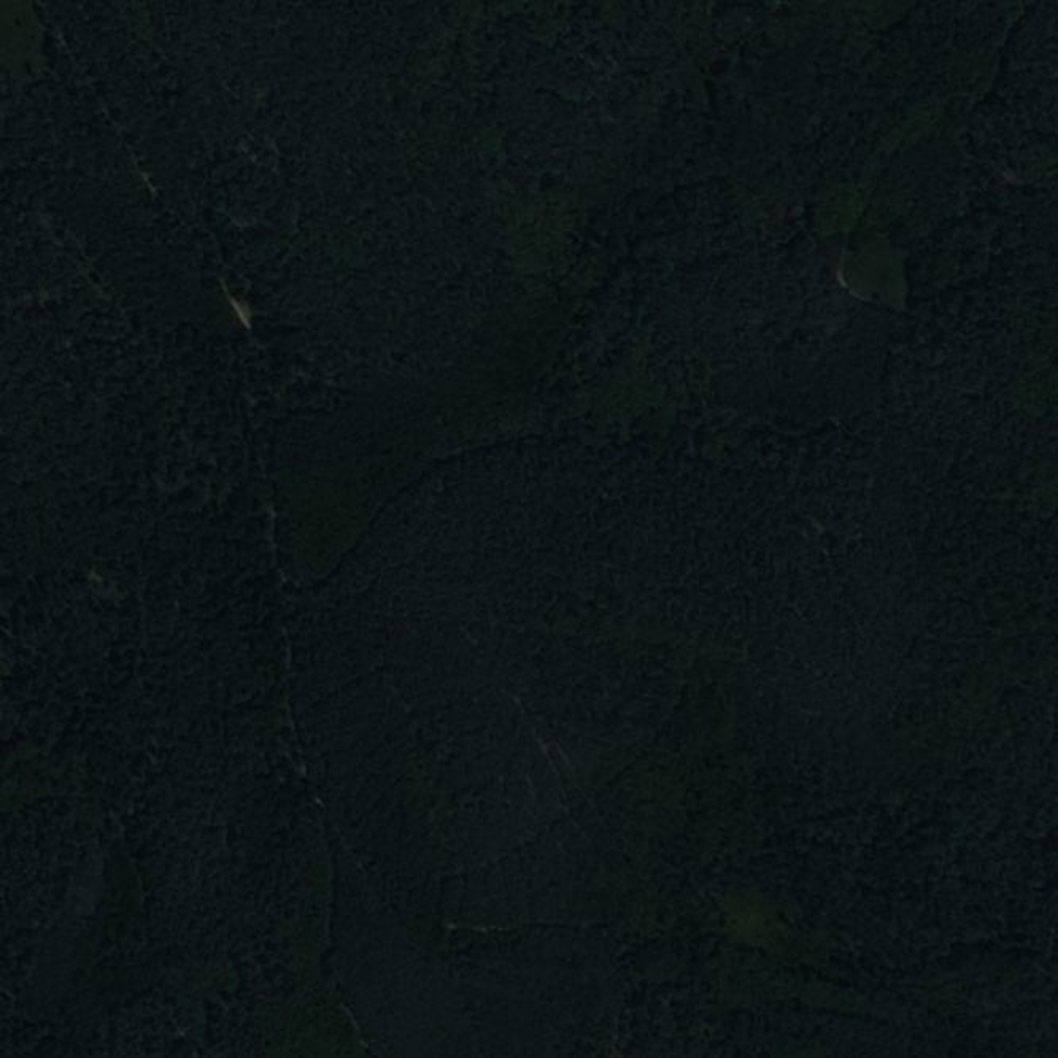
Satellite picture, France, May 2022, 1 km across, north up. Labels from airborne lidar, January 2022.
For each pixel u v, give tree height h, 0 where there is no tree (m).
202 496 9
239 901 20
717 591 28
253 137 29
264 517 19
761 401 16
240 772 13
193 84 21
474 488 22
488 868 13
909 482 24
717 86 24
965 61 26
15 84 23
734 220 28
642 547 30
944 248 22
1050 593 24
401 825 17
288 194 24
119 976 14
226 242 22
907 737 19
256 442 18
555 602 25
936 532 27
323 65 25
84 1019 14
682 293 26
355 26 28
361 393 20
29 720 26
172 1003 24
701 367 25
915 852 33
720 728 23
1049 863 27
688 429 27
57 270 21
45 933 12
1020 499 27
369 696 16
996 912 32
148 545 16
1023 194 24
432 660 13
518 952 10
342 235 23
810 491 26
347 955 12
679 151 21
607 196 16
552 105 31
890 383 21
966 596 25
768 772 20
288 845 23
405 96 26
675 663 23
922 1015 13
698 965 17
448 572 20
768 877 26
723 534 27
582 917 15
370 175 24
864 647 22
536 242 21
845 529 25
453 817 13
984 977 13
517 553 24
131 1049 18
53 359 19
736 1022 19
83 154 18
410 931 16
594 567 25
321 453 22
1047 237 18
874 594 19
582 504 24
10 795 18
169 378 23
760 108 20
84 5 27
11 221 14
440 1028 14
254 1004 23
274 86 25
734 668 17
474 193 26
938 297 12
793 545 21
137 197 17
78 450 20
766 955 19
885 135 18
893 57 28
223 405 23
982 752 19
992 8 27
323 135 24
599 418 24
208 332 10
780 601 22
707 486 24
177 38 24
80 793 15
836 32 24
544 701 20
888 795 20
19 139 11
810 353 17
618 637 25
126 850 15
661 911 14
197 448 6
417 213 26
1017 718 19
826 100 24
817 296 16
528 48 22
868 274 0
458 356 25
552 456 23
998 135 27
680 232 30
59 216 15
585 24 24
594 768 19
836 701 18
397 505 17
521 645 20
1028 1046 14
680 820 20
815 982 20
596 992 12
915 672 22
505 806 13
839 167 27
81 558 20
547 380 17
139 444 28
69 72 23
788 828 23
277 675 19
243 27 22
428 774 16
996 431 24
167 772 17
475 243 27
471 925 13
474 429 18
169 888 17
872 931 26
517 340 20
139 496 7
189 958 22
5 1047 24
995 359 23
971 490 27
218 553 21
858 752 19
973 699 25
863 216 17
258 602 17
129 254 20
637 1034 11
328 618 13
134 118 19
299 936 16
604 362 21
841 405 16
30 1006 13
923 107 17
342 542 17
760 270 24
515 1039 14
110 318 17
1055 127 30
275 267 20
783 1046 16
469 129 25
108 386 21
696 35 11
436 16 29
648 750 21
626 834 22
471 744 14
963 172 24
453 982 11
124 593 11
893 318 14
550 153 24
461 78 29
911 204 23
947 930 26
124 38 20
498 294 25
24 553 24
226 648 21
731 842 22
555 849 18
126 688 24
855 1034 22
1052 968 17
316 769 15
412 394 20
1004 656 24
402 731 18
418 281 28
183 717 25
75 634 27
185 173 25
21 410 21
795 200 25
